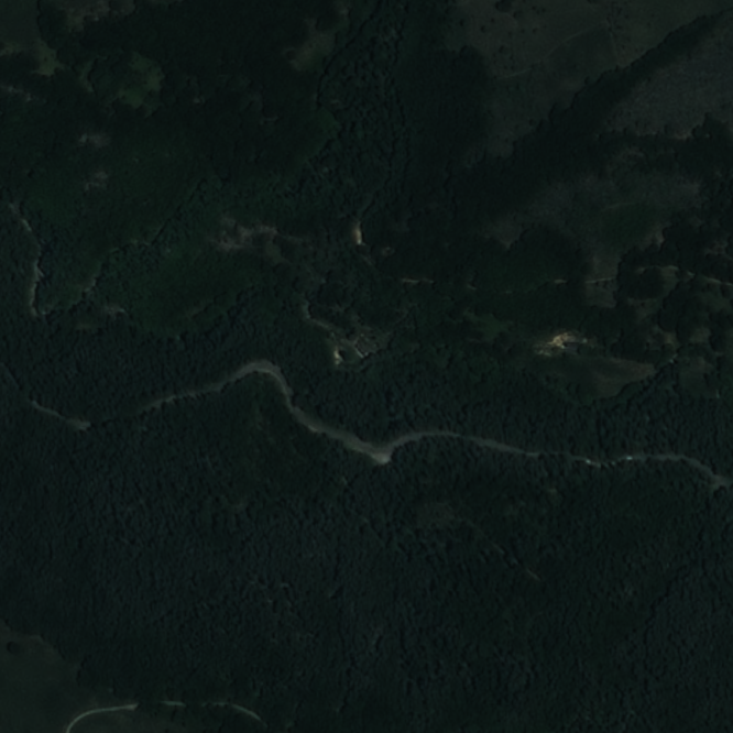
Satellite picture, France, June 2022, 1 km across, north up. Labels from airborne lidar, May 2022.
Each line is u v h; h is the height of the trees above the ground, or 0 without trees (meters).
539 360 9
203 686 14
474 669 20
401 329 13
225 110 21
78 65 14
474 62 16
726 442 20
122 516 21
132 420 16
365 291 14
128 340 24
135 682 18
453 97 18
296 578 20
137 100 0
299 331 16
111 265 20
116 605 21
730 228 17
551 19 0
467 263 15
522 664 23
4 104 16
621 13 8
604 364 0
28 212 18
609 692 9
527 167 19
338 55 17
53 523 23
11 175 23
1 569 24
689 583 28
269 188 14
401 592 30
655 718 22
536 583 9
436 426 23
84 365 26
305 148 19
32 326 27
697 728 21
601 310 17
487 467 23
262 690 16
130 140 15
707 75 0
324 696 19
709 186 11
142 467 22
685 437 23
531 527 7
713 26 12
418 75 17
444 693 24
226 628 20
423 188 16
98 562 26
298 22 18
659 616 26
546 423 32
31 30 0
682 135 0
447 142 18
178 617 22
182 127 18
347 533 27
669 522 13
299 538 23
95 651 20
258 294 15
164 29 14
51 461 20
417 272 13
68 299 8
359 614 23
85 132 13
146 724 0
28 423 27
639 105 0
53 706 0
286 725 17
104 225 18
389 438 27
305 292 9
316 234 12
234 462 7
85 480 25
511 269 18
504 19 0
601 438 22
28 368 24
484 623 9
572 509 13
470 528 7
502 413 32
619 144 17
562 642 21
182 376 26
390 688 20
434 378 22
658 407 25
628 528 9
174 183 17
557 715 7
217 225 9
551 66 0
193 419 16
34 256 14
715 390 10
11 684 0
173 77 21
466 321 9
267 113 19
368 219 8
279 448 6
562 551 23
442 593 24
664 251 15
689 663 17
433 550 20
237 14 18
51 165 18
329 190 15
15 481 21
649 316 6
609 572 16
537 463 24
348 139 18
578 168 14
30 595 23
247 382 15
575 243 9
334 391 29
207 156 14
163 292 13
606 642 12
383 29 18
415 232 15
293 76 16
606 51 0
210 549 10
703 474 23
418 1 18
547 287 22
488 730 17
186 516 21
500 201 19
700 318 13
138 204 13
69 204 14
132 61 11
